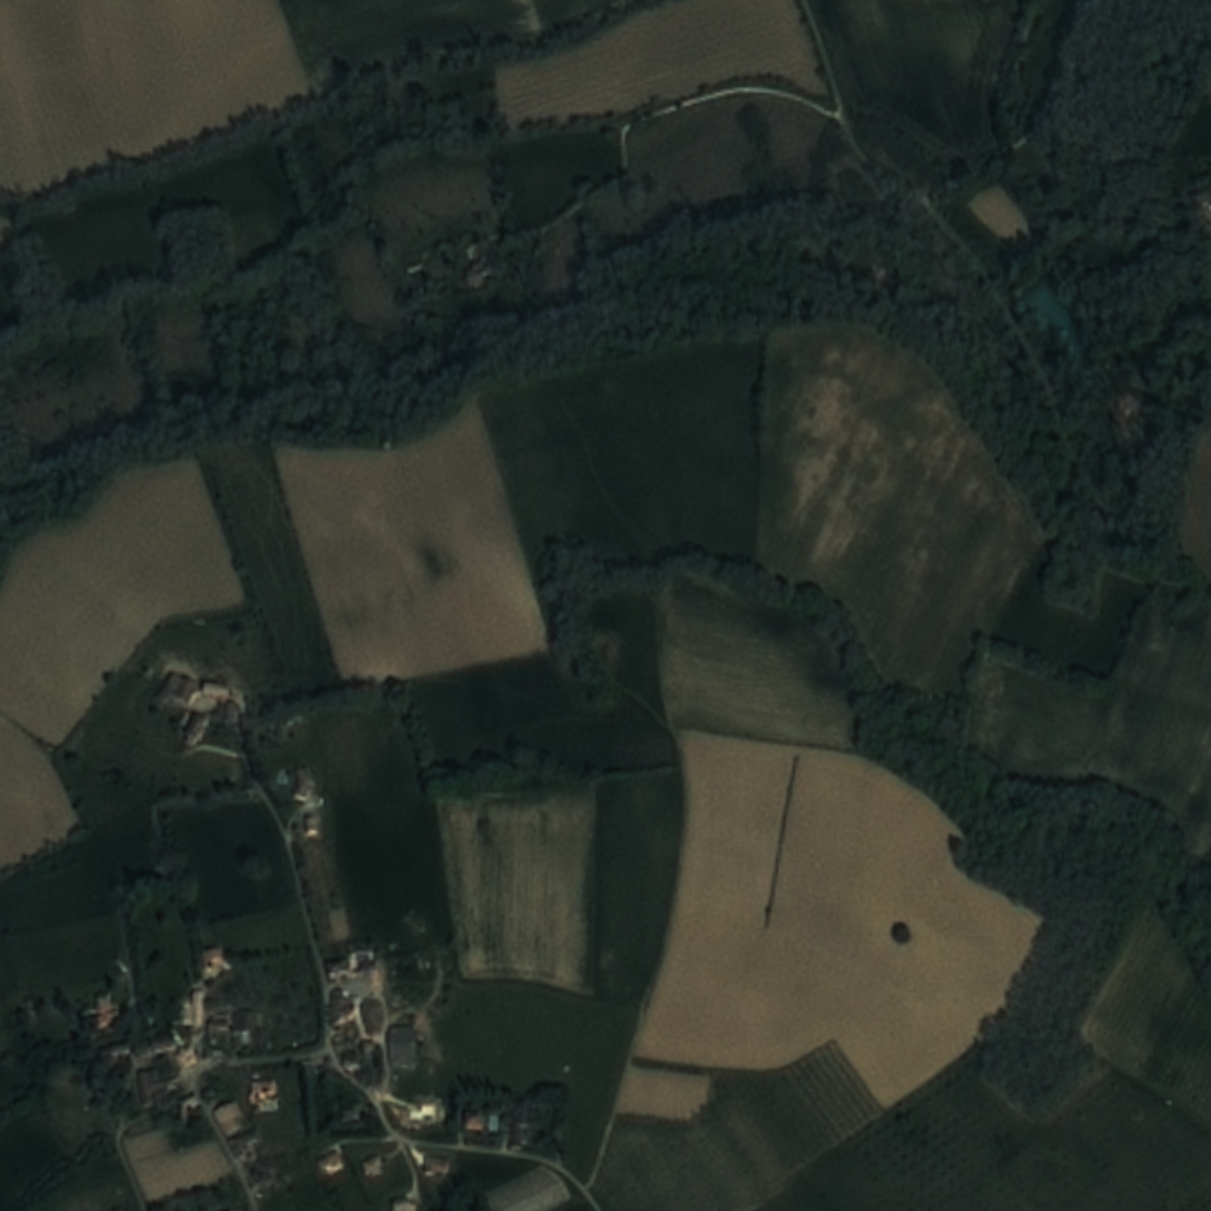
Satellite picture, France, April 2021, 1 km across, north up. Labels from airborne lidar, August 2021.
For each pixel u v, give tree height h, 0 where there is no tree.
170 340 0
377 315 0
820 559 0
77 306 21
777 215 24
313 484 0
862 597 0
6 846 0
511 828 0
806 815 0
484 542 0
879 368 0
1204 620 0
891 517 0
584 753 0
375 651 0
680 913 0
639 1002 0
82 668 0
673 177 0
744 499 0
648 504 0
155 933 0
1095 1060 14
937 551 0
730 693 0
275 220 0
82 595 0
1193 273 21
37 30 0
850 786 0
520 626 0
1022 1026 17
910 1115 7
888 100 0
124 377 0
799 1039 0
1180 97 22
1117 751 0
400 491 0
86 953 0
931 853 0
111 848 0
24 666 0
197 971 8
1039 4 12
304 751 0
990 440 16
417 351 6
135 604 0
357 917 0
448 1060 0
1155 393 19
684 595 0
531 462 0
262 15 0
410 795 0
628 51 0
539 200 0
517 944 0
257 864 19
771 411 10
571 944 0
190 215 18
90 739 0
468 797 17
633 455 0
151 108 0
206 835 0
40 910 0
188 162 17
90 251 0
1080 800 16
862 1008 0
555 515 0
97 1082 14
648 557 0
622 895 0
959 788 26
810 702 0
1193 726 0
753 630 0
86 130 0
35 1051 10
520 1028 0
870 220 14
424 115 0
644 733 0
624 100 0
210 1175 0
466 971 0
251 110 0
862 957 0
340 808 0
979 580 0
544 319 26
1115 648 0
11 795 0
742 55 0
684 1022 0
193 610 0
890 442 0
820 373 0
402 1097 0
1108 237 21
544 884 0
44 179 0
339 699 13
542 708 0
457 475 0
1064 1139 0
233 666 0
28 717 0
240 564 8
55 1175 7
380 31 0
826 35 0
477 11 0
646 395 0
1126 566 18
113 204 0
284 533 0
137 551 0
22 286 20
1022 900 20
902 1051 0
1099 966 13
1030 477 15
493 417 0
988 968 0
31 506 20
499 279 18
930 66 0
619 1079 0
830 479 0
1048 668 18
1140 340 23
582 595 17
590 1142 0
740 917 0
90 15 0
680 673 0
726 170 0
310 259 11
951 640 0
